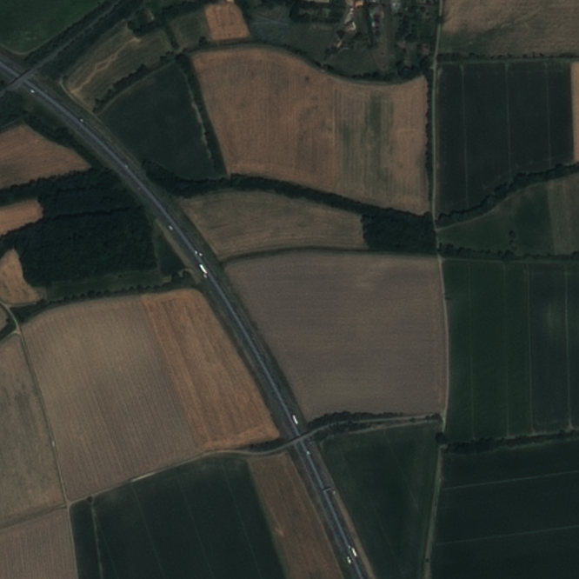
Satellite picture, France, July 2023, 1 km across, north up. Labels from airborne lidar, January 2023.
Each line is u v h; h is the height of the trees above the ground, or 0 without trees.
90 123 0
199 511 0
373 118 0
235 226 0
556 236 0
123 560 0
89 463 0
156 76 0
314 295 0
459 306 0
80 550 0
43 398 0
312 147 0
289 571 0
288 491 0
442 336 0
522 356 0
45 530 0
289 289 0
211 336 0
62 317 0
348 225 0
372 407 0
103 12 11
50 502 0
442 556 0
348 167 0
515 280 0
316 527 0
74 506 0
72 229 22
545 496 0
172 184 22
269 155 0
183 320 0
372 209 17
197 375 0
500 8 0
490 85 0
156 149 0
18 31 0
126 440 0
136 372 0
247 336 0
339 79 0
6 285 0
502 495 0
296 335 0
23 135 0
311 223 0
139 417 0
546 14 0
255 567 0
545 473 0
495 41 0
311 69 0
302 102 0
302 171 0
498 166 0
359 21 0
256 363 0
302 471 0
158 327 0
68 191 20
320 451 0
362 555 0
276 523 0
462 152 0
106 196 16
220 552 0
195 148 0
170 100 0
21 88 0
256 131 0
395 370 0
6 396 0
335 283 0
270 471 0
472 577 0
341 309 0
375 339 0
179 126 0
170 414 0
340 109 0
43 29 0
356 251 0
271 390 0
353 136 0
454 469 0
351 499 0
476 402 0
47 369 0
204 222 0
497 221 0
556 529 0
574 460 0
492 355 0
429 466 0
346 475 0
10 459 0
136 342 0
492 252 11
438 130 0
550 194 0
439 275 0
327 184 0
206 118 7
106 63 0
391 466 0
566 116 0
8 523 0
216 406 0
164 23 9
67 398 0
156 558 0
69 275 19
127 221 29
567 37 0
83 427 0
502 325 0
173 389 0
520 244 0
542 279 0
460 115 0
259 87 0
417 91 0
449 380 0
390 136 0
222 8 0
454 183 0
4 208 0
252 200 0
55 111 0
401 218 19
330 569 0
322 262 0
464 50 0
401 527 0
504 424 0
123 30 0
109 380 0
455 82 0
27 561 0
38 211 0
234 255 0
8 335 0
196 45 0
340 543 0
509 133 0
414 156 0
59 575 0
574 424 0
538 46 0
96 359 0
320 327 0
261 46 0
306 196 12
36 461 0
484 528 0
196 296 0
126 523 0
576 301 0
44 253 22
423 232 24
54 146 0
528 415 0
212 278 0
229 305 0
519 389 0
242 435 0
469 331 0
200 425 0
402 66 14
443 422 0
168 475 0
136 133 0
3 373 0
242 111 0
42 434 0
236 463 0
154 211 0
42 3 0
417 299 0
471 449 17
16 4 0
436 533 0
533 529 0
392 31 0
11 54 0
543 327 0
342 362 0
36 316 0
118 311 0
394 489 0
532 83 0
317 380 0
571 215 0
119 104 0
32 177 0
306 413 0
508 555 0
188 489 0
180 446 0
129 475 0
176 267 0
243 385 0
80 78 0
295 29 0
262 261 0
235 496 0
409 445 0
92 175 17
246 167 0
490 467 0
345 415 10
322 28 0
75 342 0
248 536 0
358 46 0
